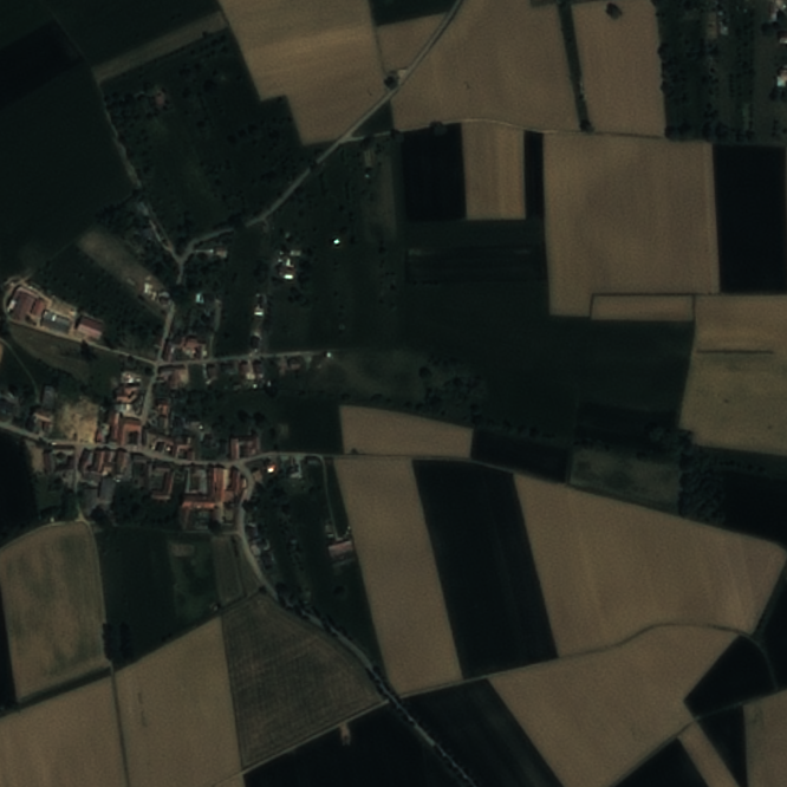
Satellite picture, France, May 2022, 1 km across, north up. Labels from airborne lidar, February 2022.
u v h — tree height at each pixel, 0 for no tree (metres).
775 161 0
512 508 0
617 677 0
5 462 0
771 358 0
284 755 0
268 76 0
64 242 0
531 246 0
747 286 0
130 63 0
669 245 0
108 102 7
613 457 0
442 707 0
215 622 0
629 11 0
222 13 0
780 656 0
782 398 0
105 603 0
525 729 0
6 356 0
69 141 0
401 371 0
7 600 0
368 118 0
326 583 0
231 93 0
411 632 0
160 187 0
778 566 0
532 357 0
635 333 0
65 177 0
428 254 0
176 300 23
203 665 0
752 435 0
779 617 0
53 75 0
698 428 0
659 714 0
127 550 0
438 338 0
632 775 0
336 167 0
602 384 0
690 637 0
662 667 0
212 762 0
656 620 0
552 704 0
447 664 0
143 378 0
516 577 0
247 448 0
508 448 0
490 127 0
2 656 0
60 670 0
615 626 0
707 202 0
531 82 0
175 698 0
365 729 0
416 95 0
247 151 0
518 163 0
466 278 0
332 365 0
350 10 0
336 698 0
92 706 0
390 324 0
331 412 0
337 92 0
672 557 0
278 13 0
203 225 0
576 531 0
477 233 0
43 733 0
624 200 0
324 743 0
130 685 0
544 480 0
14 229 0
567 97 0
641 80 0
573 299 0
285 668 0
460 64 0
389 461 0
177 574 0
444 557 0
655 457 0
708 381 0
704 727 0
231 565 0
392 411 0
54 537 0
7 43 0
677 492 0
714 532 0
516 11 0
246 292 0
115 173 0
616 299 0
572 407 0
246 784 0
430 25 0
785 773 0
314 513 0
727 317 0
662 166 0
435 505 0
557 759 0
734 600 0
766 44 0
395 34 0
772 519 0
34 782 0
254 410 0
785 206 0
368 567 0
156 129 0
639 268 0
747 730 0
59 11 0
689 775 0
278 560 0
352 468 0
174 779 0
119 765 0
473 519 0
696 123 0
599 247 0
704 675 0
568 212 0
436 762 0
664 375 0
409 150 0
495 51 0
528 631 0
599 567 0
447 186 0
